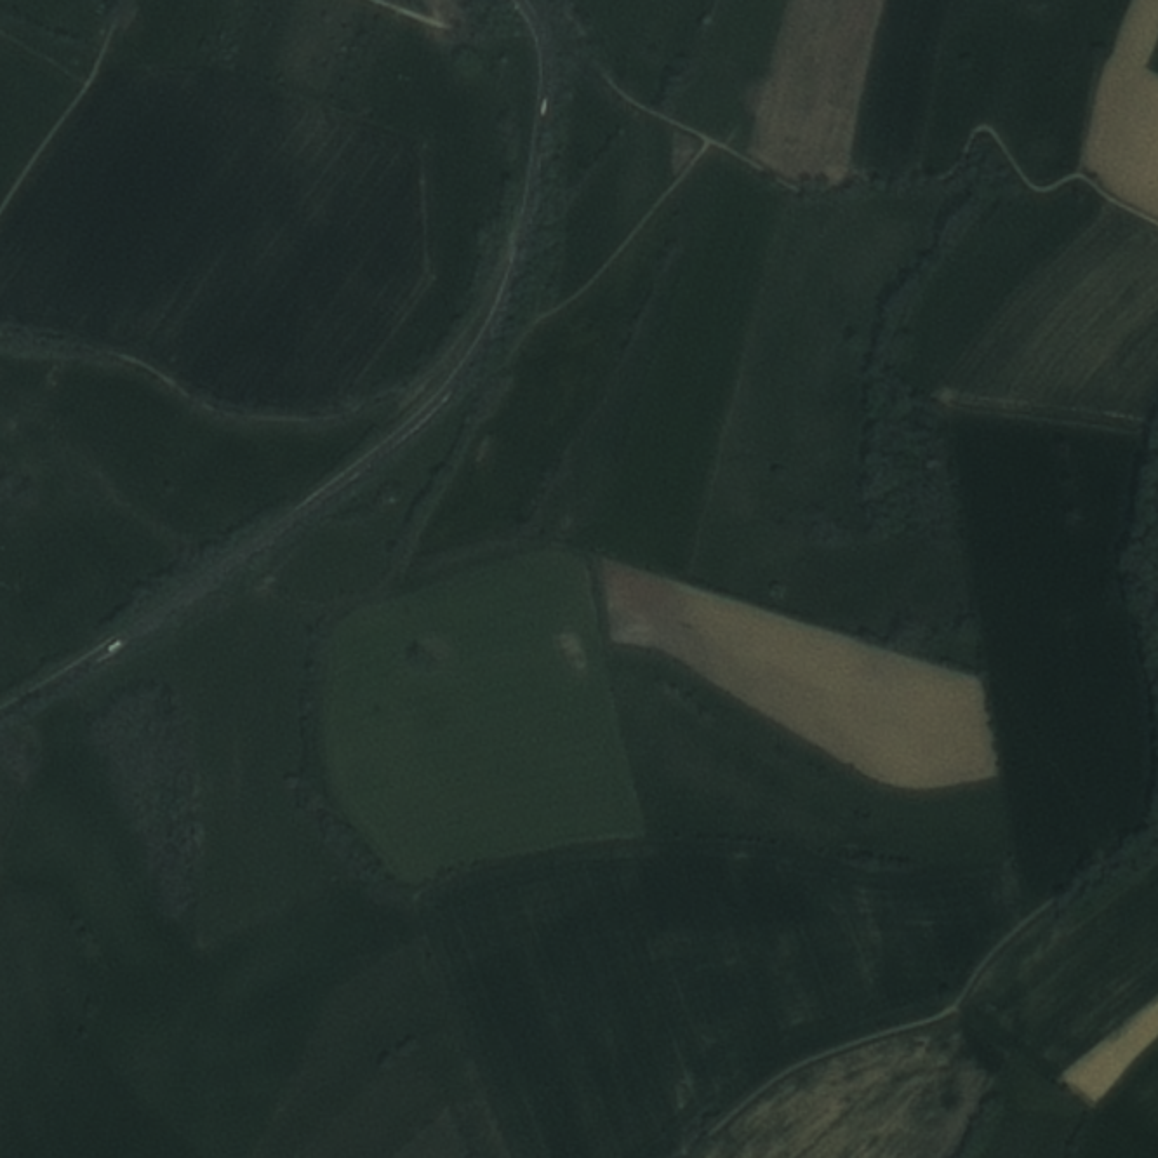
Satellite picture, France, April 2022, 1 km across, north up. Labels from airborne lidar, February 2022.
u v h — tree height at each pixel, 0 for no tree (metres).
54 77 0
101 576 0
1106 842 0
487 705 0
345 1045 0
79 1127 0
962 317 0
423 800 0
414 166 0
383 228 0
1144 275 0
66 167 0
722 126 0
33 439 0
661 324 0
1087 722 0
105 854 0
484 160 0
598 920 0
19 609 0
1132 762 0
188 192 0
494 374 19
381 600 0
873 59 0
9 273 0
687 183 0
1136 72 0
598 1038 0
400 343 0
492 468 0
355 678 0
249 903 0
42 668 6
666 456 0
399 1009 0
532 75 0
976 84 0
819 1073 0
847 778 0
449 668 0
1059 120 0
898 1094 0
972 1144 16
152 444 0
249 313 0
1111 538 0
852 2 0
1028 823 0
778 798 0
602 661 0
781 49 0
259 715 0
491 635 0
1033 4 0
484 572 0
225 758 0
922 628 15
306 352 0
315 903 0
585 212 0
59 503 0
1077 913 16
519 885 0
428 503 15
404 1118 0
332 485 0
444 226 0
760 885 0
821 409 0
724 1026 0
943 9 0
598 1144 0
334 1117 0
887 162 0
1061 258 0
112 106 0
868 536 9
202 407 17
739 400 0
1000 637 0
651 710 0
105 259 0
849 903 0
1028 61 0
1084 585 0
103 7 0
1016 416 0
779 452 0
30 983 0
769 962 0
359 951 0
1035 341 0
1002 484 0
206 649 0
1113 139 0
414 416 0
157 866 13
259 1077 0
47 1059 0
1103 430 0
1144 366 0
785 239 0
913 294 15
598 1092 0
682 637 0
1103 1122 0
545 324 0
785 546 0
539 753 0
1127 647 0
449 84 0
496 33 13
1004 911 0
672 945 0
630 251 0
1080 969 0
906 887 0
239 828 0
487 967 0
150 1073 0
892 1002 0
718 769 0
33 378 0
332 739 0
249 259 0
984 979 0
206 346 0
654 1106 0
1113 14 0
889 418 17
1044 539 0
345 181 0
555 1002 0
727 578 0
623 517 0
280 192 0
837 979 0
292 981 0
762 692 0
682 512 0
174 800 22
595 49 16
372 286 0
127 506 0
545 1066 0
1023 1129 0
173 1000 0
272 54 0
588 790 0
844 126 0
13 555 0
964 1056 0
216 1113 0
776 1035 0
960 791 0
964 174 6
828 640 0
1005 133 0
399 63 0
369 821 0
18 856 0
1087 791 0
